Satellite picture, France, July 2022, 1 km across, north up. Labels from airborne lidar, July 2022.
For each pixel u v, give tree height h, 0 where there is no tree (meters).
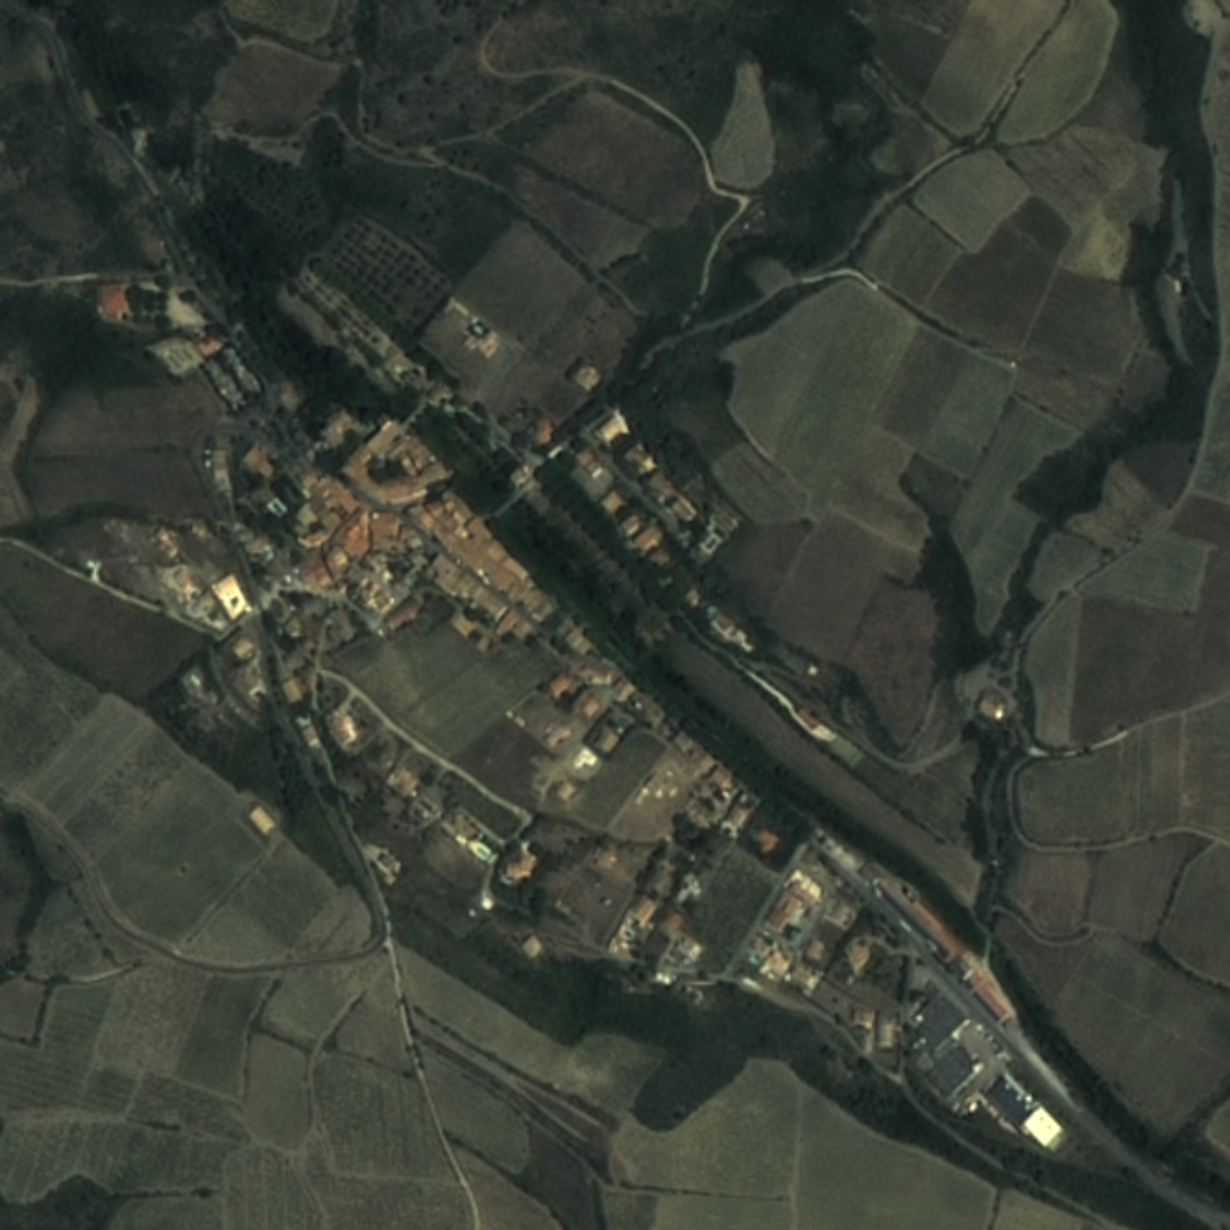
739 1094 0
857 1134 0
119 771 0
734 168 0
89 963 0
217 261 7
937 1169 0
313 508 0
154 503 0
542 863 8
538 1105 0
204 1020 0
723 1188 0
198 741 6
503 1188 0
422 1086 0
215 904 0
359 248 7
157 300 9
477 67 0
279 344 9
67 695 0
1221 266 0
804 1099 0
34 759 0
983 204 0
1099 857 0
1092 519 0
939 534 9
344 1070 0
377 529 0
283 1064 0
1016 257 0
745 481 0
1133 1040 0
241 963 0
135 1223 0
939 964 6
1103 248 0
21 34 7
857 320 0
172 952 0
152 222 6
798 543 0
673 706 16
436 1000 0
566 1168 0
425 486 7
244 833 0
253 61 0
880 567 0
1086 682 0
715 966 0
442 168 7
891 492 0
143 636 0
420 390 7
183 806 0
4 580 0
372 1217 0
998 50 0
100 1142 0
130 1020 0
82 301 6
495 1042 0
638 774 0
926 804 0
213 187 11
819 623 0
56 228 0
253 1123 0
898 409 0
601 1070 0
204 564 0
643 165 0
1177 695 0
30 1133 0
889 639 0
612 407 9
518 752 0
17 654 0
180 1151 0
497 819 0
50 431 0
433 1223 0
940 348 0
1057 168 0
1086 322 0
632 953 9
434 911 0
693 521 6
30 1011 0
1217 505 0
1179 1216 5
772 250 7
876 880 0
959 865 0
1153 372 0
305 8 0
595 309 0
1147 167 0
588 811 0
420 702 0
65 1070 0
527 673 0
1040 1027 6
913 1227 0
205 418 0
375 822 0
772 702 7
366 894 9
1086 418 0
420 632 0
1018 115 0
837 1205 0
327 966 0
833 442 0
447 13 11
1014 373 0
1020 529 0
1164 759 0
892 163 0
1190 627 0
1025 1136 0
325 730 6
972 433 0
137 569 0
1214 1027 0
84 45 7
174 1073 0
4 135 6
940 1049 0
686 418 0
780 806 14
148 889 0
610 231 0
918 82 0
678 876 7
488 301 0
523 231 0
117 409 0
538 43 0
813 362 0
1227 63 0
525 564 13
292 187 14
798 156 0
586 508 15
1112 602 0
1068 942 0
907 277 0
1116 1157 0
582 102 0
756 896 0
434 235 8
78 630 0
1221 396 0
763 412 0
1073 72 0
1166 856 0
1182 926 0
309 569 0
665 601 15
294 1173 0
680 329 9
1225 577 0
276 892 0
